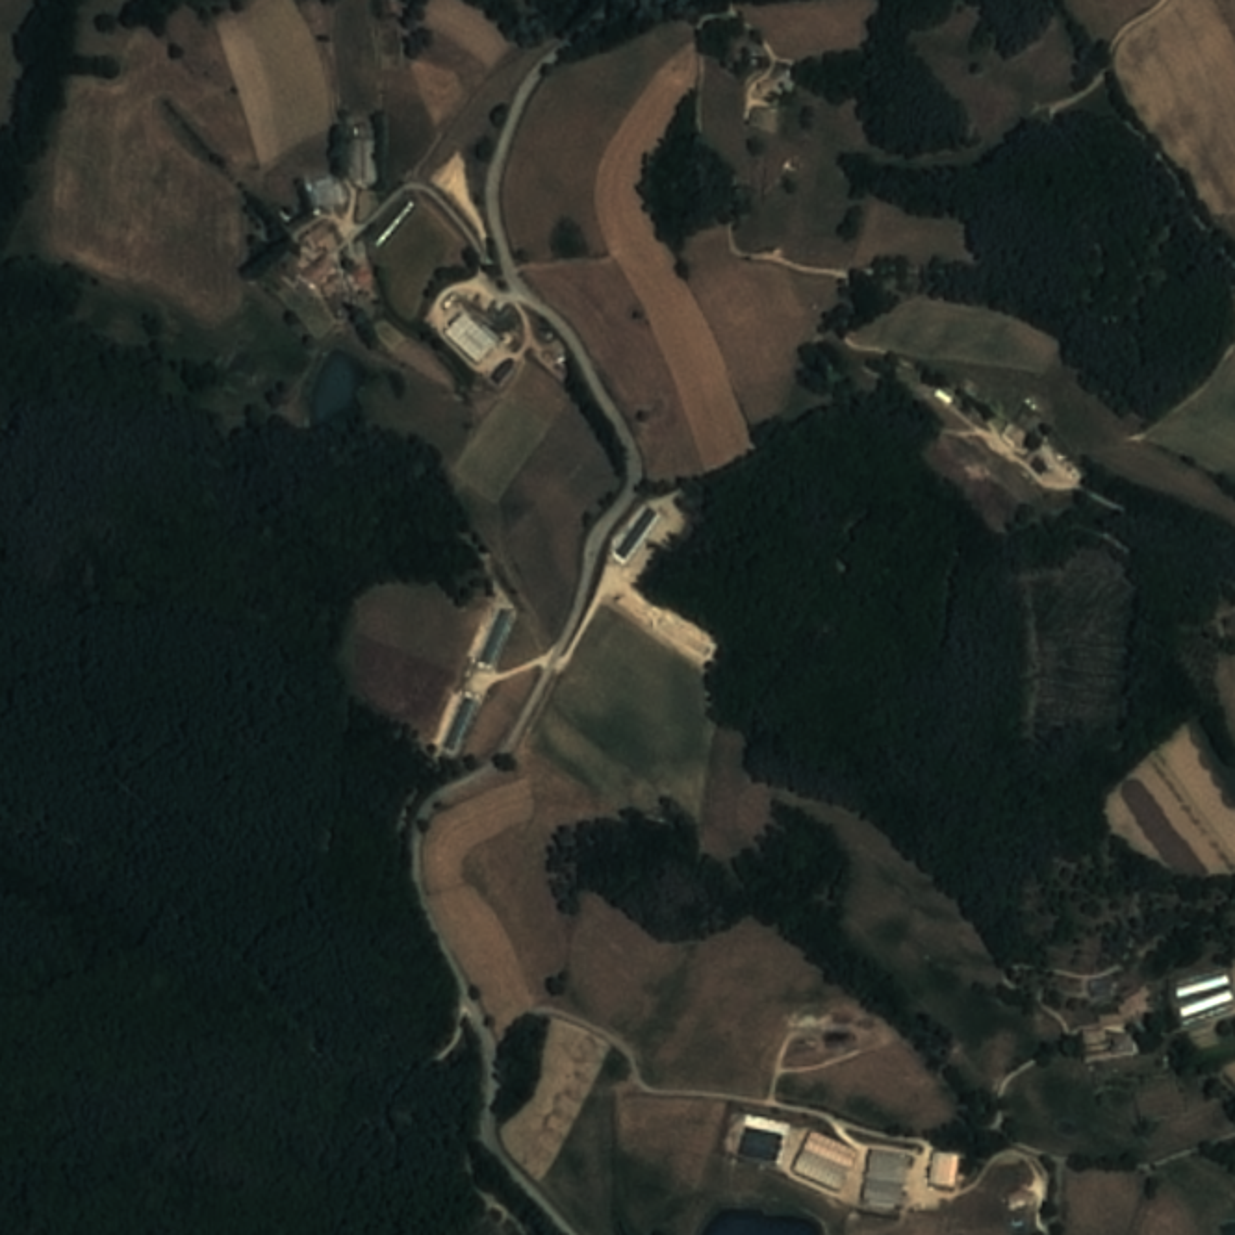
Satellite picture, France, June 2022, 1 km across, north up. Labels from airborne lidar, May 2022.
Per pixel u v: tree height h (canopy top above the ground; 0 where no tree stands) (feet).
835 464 50
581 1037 0
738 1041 0
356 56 0
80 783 74
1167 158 30
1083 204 71
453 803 0
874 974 42
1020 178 79
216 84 0
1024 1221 0
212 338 0
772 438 42
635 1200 0
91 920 49
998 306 63
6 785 73
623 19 58
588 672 0
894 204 64
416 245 0
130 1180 41
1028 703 60
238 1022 64
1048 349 0
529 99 0
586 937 0
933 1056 33
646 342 0
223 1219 61
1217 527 40
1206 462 0
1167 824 0
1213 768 0
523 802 0
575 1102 0
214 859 64
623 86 0
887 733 53
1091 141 72
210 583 60
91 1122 77
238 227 0
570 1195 0
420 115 0
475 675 0
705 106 0
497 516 0
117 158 0
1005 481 0
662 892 60
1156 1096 0
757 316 0
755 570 65
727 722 35
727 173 57
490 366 0
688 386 0
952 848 50
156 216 0
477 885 0
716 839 0
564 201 0
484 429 0
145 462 69
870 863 0
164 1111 53
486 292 0
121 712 70
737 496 57
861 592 58
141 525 41
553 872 34
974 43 21
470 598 46
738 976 0
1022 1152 0
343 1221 75
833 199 0
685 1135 0
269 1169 42
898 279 28
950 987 0
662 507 0
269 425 29
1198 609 54
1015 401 0
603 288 0
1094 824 50
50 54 83
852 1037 0
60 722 71
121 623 73
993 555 56
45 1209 51
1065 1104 0
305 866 68
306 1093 62
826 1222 0
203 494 69
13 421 44
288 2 0
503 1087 29
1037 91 0
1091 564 0
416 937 41
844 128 0
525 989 0
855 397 24
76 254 0
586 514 27
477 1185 30
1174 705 58
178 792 69
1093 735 64
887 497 41
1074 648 0
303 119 0
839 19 0
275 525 76
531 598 0
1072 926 30
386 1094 77
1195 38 0
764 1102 0
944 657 58
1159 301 45
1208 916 42
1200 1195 0
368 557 56
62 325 73
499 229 0
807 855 31
